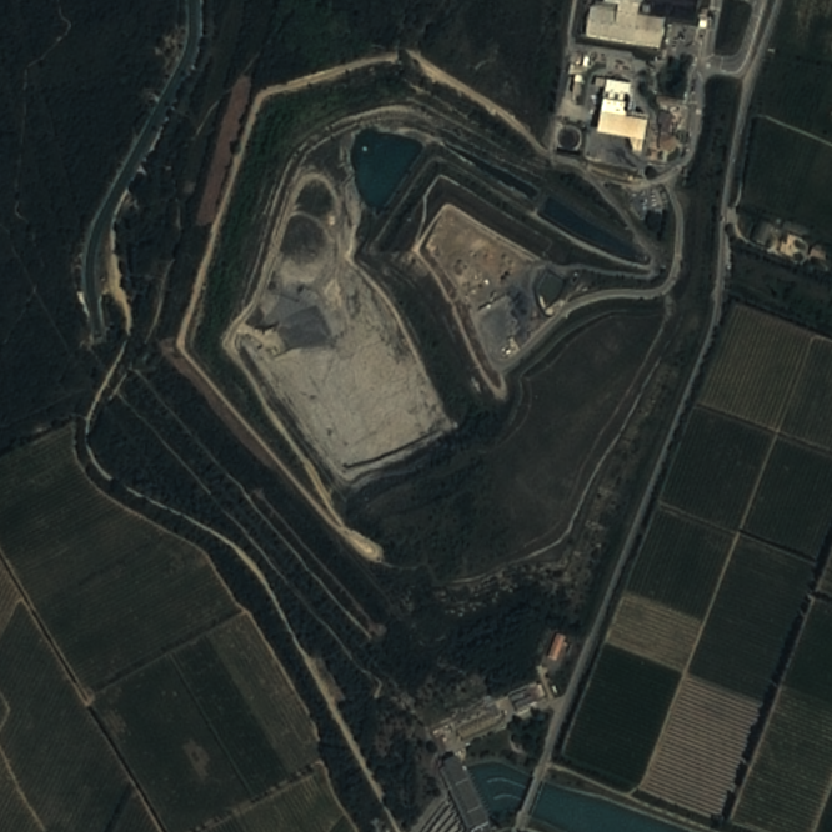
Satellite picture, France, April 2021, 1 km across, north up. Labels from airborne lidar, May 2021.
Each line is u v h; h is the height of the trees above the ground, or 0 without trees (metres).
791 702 0
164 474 6
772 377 0
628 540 0
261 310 0
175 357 0
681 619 0
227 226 9
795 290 8
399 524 0
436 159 0
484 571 0
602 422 0
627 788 7
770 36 0
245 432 0
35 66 0
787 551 14
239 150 14
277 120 13
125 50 6
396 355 0
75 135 6
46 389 5
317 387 0
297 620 13
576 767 6
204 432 6
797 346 0
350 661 9
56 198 6
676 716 0
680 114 0
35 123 6
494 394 0
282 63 6
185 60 0
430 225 0
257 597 8
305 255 0
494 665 13
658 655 0
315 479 0
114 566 8
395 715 6
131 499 13
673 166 0
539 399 0
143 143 0
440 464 6
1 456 16
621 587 6
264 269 0
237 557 12
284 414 0
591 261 0
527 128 0
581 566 0
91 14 6
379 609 6
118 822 13
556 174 0
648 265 0
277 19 8
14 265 5
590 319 0
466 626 7
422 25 7
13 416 7
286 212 0
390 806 13
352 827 0
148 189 15
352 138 0
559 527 0
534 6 0
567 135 0
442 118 0
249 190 9
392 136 0
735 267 6
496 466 0
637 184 0
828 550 13
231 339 0
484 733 0
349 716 12
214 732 10
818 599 12
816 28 0
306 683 12
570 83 0
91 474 7
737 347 0
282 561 12
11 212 0
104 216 0
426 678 6
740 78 0
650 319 0
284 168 0
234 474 6
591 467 0
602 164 0
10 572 8
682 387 0
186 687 9
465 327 0
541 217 0
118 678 9
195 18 0
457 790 0
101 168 6
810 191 0
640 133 0
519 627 17
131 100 6
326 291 0
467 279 0
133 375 12
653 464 0
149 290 9
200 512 10
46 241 7
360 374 0
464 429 7
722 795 0
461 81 0
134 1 6
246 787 9
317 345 0
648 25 0
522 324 0
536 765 7
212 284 10
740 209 6
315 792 0
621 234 0
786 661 14
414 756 10
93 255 0
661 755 0
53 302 5
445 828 0
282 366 0
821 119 0
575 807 0
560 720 0
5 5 7
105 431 13
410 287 0
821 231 0
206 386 0
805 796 0
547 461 0
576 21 0
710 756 0
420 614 7
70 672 12
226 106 7
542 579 7
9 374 7
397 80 7
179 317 0
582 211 0
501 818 7
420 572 5
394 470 0
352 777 12
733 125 0
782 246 0
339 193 0
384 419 0
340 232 0
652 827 0
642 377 0
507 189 0
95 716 21
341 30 15
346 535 0
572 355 0
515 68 0
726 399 0
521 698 0
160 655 8
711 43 0
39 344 6
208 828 11
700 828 0
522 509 0
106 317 0
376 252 0
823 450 9
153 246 12
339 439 0
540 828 0
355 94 9
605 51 0
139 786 14
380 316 0
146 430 6
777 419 0
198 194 6
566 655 0
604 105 0
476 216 0
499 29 0
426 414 0
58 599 8
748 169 7
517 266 0
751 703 0
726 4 0
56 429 10
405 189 0
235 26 0
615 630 0
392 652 7
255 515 10
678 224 0
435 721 0
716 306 0
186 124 7
